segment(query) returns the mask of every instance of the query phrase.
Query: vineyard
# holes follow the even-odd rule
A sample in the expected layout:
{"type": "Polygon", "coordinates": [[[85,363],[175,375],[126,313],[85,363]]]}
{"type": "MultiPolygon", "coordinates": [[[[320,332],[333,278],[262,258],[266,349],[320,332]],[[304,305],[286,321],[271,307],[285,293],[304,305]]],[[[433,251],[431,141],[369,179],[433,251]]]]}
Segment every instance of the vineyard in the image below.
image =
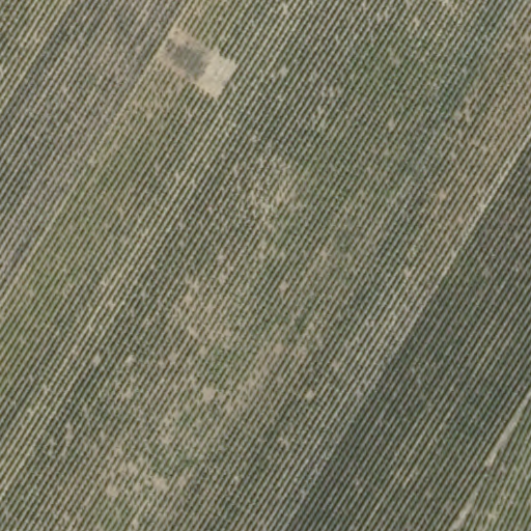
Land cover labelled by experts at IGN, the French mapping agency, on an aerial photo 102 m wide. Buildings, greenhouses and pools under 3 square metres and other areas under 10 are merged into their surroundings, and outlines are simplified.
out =
{"type": "Polygon", "coordinates": [[[0,0],[0,531],[531,531],[531,0],[0,0]]]}

